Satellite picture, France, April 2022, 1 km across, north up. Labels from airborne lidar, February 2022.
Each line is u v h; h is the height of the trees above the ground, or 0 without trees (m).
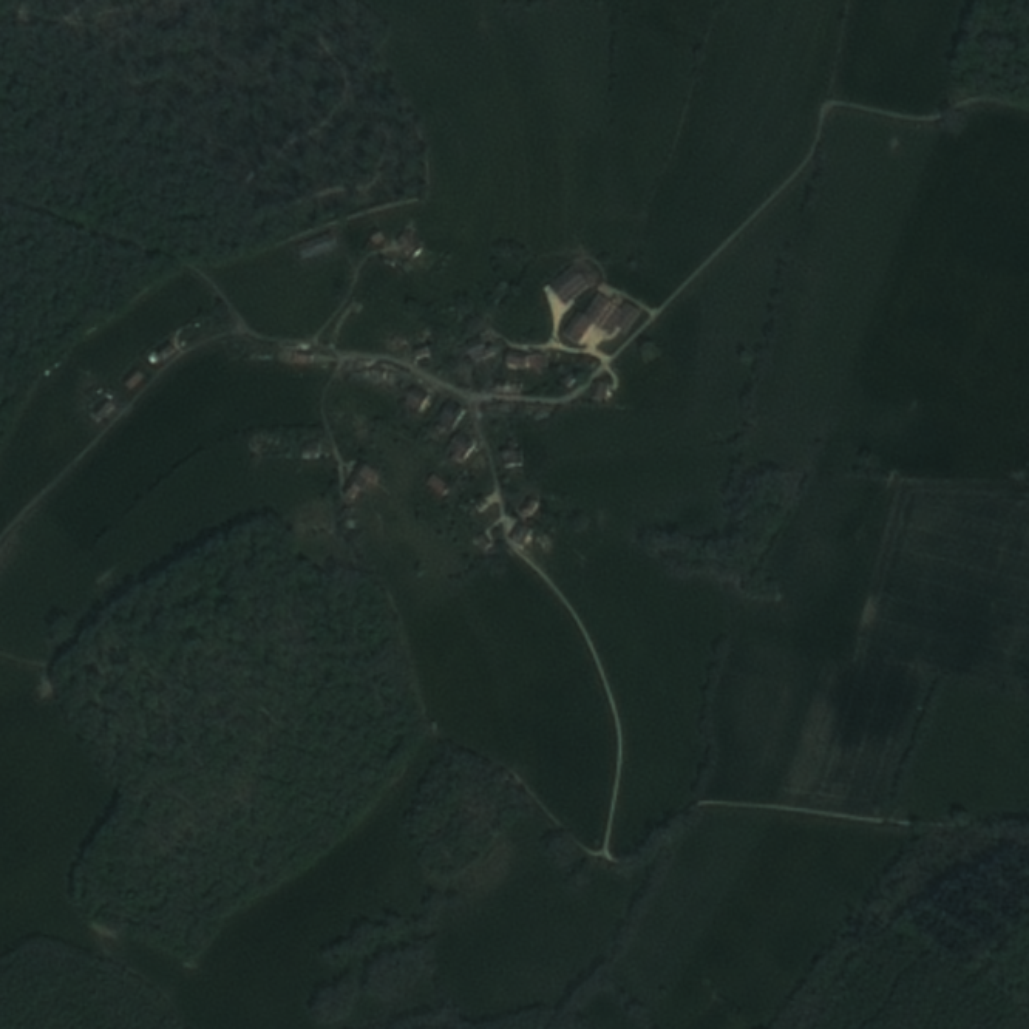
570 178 0
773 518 22
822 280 0
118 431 0
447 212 0
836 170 0
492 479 0
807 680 0
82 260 27
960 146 0
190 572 30
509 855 0
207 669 34
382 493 0
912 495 0
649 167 0
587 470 0
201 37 30
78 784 0
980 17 24
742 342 0
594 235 0
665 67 0
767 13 0
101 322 23
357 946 18
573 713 0
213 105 27
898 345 0
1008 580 0
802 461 0
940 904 23
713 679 12
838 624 0
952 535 0
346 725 28
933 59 0
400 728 23
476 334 15
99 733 27
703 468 0
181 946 21
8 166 27
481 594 0
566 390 11
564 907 0
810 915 0
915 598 0
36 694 0
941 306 0
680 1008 0
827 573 0
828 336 0
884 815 0
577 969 0
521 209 0
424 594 0
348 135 28
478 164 0
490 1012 0
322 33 30
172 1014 9
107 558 0
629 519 0
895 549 0
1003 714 0
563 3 0
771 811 0
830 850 0
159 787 29
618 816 0
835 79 0
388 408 0
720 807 0
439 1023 19
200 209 26
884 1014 7
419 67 0
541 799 0
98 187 26
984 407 0
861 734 0
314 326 0
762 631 0
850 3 0
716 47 0
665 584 0
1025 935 27
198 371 0
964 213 0
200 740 30
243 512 0
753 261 0
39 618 0
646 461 0
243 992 0
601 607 0
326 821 24
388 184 0
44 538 0
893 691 0
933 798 0
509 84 0
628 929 15
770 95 0
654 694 0
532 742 0
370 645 23
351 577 24
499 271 7
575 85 0
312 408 0
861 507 0
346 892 0
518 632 0
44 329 26
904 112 0
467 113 0
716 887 0
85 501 0
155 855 30
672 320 0
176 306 0
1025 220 0
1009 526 0
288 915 0
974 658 0
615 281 0
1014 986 21
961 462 0
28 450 0
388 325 0
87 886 25
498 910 0
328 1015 20
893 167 0
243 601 31
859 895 0
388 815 0
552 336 0
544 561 0
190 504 0
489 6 0
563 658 0
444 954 0
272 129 26
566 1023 16
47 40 22
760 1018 0
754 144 0
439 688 0
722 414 0
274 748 30
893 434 0
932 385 0
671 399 0
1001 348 0
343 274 0
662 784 0
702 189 0
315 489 0
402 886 0
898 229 0
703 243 0
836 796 0
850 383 0
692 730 0
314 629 31
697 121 0
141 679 33
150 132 23
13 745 0
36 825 0
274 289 0
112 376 0
